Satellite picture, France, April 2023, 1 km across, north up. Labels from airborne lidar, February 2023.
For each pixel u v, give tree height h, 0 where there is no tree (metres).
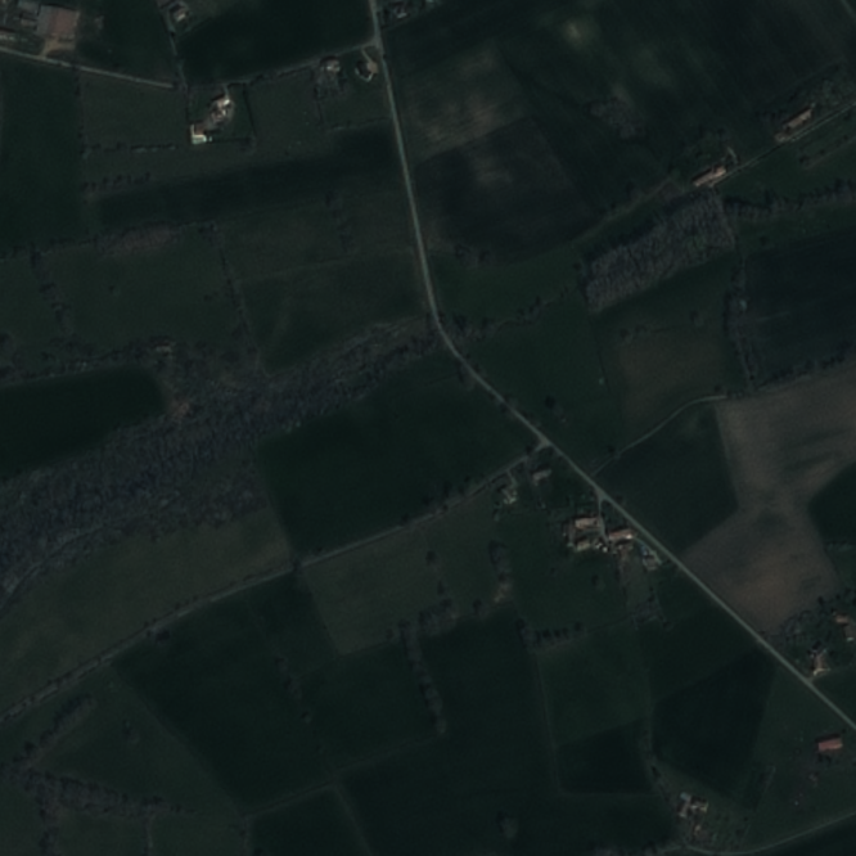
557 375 0
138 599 0
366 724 0
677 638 0
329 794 0
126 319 0
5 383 17
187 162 0
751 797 0
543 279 0
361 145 0
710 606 0
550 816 0
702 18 0
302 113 0
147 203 0
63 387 0
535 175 0
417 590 0
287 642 0
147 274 0
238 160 0
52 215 0
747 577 0
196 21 6
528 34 0
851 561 0
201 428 21
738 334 16
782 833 0
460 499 15
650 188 0
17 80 0
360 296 0
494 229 0
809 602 0
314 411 11
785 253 0
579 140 0
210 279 0
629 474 0
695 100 0
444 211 0
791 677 0
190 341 0
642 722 0
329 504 0
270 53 0
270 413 19
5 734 0
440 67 0
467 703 0
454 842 0
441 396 0
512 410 15
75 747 0
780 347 0
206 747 0
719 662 0
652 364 0
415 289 0
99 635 0
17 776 13
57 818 23
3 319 0
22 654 0
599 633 0
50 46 0
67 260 0
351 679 0
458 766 0
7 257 10
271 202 0
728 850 7
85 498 21
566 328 0
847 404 0
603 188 0
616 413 0
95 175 0
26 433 0
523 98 0
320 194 0
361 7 0
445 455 0
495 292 0
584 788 0
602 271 29
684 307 0
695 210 24
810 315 0
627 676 0
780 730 0
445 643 0
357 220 0
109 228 0
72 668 0
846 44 0
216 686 0
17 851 0
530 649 16
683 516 0
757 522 0
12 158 0
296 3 0
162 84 0
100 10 0
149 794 0
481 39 0
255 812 0
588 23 0
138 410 0
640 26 0
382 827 0
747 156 0
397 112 0
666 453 0
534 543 0
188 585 0
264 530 0
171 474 18
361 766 0
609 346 0
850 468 0
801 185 0
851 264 0
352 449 0
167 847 0
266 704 0
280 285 0
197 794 0
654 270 28
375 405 0
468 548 0
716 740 0
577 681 0
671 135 0
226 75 0
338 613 0
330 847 0
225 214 0
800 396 0
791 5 0
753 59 0
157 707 0
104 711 0
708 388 0
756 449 0
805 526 0
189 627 0
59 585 0
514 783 0
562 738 0
